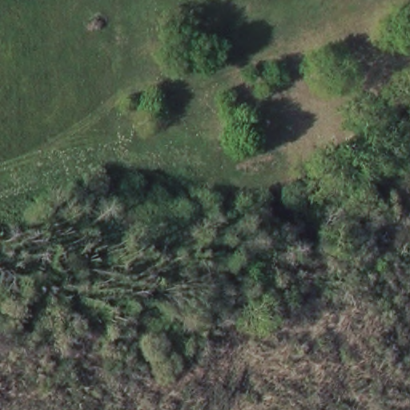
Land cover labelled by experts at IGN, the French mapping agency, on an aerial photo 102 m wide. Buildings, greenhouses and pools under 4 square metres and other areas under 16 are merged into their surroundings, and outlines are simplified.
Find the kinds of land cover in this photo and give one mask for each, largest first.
<instances>
[{"label":"deciduous trees","instance_id":"1","mask_svg":"<svg viewBox=\"0 0 410 410\"><path fill-rule=\"evenodd\" d=\"M373 45L378 46L380 50L404 54L410 58V0H408L399 10H392L388 18L381 21L380 38ZM167 34L165 43L168 48L163 56V62L167 66L175 64L178 72L184 70L194 75H211L213 64L227 58L231 43L216 35L199 32V19L195 18L194 11L170 8V21L162 27ZM299 69L314 96L325 102L330 101L332 96H348L333 112L343 114V130L352 131L354 138L336 144L333 151L320 149L319 152L309 155L304 162H298L296 171L299 178L283 187L282 199L279 202H274L269 197L267 189L240 184L237 186L239 195L235 200V207L224 211L221 208V197L215 192L218 184L176 178L163 170H152L146 178L141 175L125 178L120 191L115 194L109 187L106 171H101L93 165L90 171H85L82 175L83 183L90 186L85 192H74V184L67 183L58 195H46L35 210L27 208L24 211L26 223L14 227L0 223V330L22 325L29 333V348L34 349L35 343L40 340V336L34 333L35 324L45 312L48 298L54 296L58 299L59 307H67L70 311L77 312L88 322L91 333L102 336L107 332V335L111 336L114 340V351L120 352V359L102 357V368L109 370V373L117 370L120 373V383L130 384L131 373L152 370L159 386H168L173 376L183 368L179 354L186 351L187 356H192L194 348L203 349L207 341L218 348H235L239 344L255 341L259 348L266 341L264 336L271 330L280 341L290 340V333L282 332L280 328L283 320L290 327L316 324L322 312L330 311L335 304L333 299L325 295L327 290L335 291V285L328 283V280H335V272L327 269V255L348 259L351 253L357 255L362 247H368L370 239L365 237L360 226L348 227L346 223H341L335 226L332 219L327 216V208H341V211L349 210L356 215L370 218L373 215H381L383 219L396 223L394 213H399L400 205L397 192L392 191L391 183L394 179L391 176H400V181L405 187L410 186V66L392 75L391 80L384 83L380 91H365V80L360 75L359 62L344 53L340 42L328 43L304 56ZM243 82L250 86L258 99L269 98L275 85L290 80L287 70L279 67V59H275L266 61L264 72H258L248 64L243 67ZM163 107V93L160 88L154 86L144 96L139 91L131 94L128 104V111H136L131 128H136L139 138H146L147 143H152L162 135L157 125L162 119L160 109ZM216 111L221 122L219 141L229 159L242 162L255 155L264 154L263 149L259 147L264 143L261 136L263 131L258 123V114L251 111L250 107L235 106V93L229 90L224 96L221 93L215 94ZM388 266L405 269L410 267V264L400 263L399 258H394L391 253H386L378 261V271H383ZM383 322L391 327L392 322L396 320V314L391 311L389 295L384 291L383 298L380 299ZM340 335L333 328H327L324 333L314 338L320 349L332 348L333 338ZM72 344L70 336L64 333L54 341L56 351L61 357L69 356V346Z\"/></svg>","mask_w":410,"mask_h":410},{"label":"herbaceous vegetation","instance_id":"2","mask_svg":"<svg viewBox=\"0 0 410 410\"><path fill-rule=\"evenodd\" d=\"M408 0H0V223L14 227L26 223L24 211L27 208L35 210L46 195H58L67 183L74 184V192H85L90 186L83 183L82 175L85 171H90L93 165L101 171H106L109 187L115 194L120 191L125 178L141 175L146 178L152 170H163L176 178L218 184L215 192L221 197V208L224 211L235 207V200L239 195L237 186L240 184L267 189L269 197L274 202H279L282 199L283 187L299 178L296 171L298 162H304L309 155L319 152L320 149L333 151L336 144L354 138L352 131L343 130V114L333 112L348 96H332L330 101L325 102L314 96L299 69L304 56L328 43L340 42L344 53L359 62L360 75L365 80V91H380L384 83L391 80L392 75L410 66V58L404 54L380 50L378 46L373 45L380 38L381 21L388 18L392 10H399ZM170 8L194 11L195 18L199 19V32L216 35L231 43L227 58L213 64L211 75H194L184 70L178 72L175 64L167 66L163 62V56L168 48L165 43L167 34L162 27L170 21ZM275 59H279V67L287 70L290 80L275 85L269 98L258 99L250 86L243 82V67L248 64L258 72H264L266 61ZM154 86L160 88L163 93V107L160 109L162 119L157 125L162 135L152 143H147L146 138H139L136 128H131L136 111H128V104L131 94L139 91L144 96ZM229 90L235 93V106L250 107L251 111L258 114V123L263 131L261 136L264 143L259 147L263 149L264 154L255 155L242 162L229 159L219 141L221 122L216 111L215 94L221 93L224 96Z\"/></svg>","mask_w":410,"mask_h":410},{"label":"brushwood","instance_id":"3","mask_svg":"<svg viewBox=\"0 0 410 410\"><path fill-rule=\"evenodd\" d=\"M394 179L391 183L392 191L397 192L400 205L399 213H394L396 223L383 219L381 215H373L370 218L356 215L349 210L341 211V208H327V216L332 219L335 226L341 223H346L348 227L360 226L365 237L370 239L368 247H362L357 255L351 253L348 259L327 255V269L335 272V280H328V283L335 285V291L327 290L325 295L333 299L335 304L330 311L322 312L316 324L290 327L283 320L280 328L282 332L290 333V340L280 341L271 330L264 336L266 341L259 348L255 341L239 344L235 348H218L207 341L203 349L194 348L192 356H187L186 351L179 354L183 368L173 376L168 386H159L152 370L131 373L130 384L120 383V373L117 370L109 373V370L102 368V357L120 359V352L114 351V340L111 336L107 335V332L102 336L91 333L88 322L77 312L70 311L67 307H59L58 299L54 296L48 298L45 312L35 324L34 333L40 336V340L35 343L34 349L29 348V333L22 325L0 330V410H410V267L405 269L388 266L383 271H378V261L386 253H391L394 258H399L400 263L410 264V186L405 187L400 181V176H391ZM384 291L389 295L391 311L396 314V320L392 322L391 327L383 322L380 299L383 298ZM327 328H333L340 335L333 338L332 348L320 349L314 338L324 333ZM64 333L70 336L72 344L69 346V356L61 357L56 351L54 341Z\"/></svg>","mask_w":410,"mask_h":410}]
</instances>
